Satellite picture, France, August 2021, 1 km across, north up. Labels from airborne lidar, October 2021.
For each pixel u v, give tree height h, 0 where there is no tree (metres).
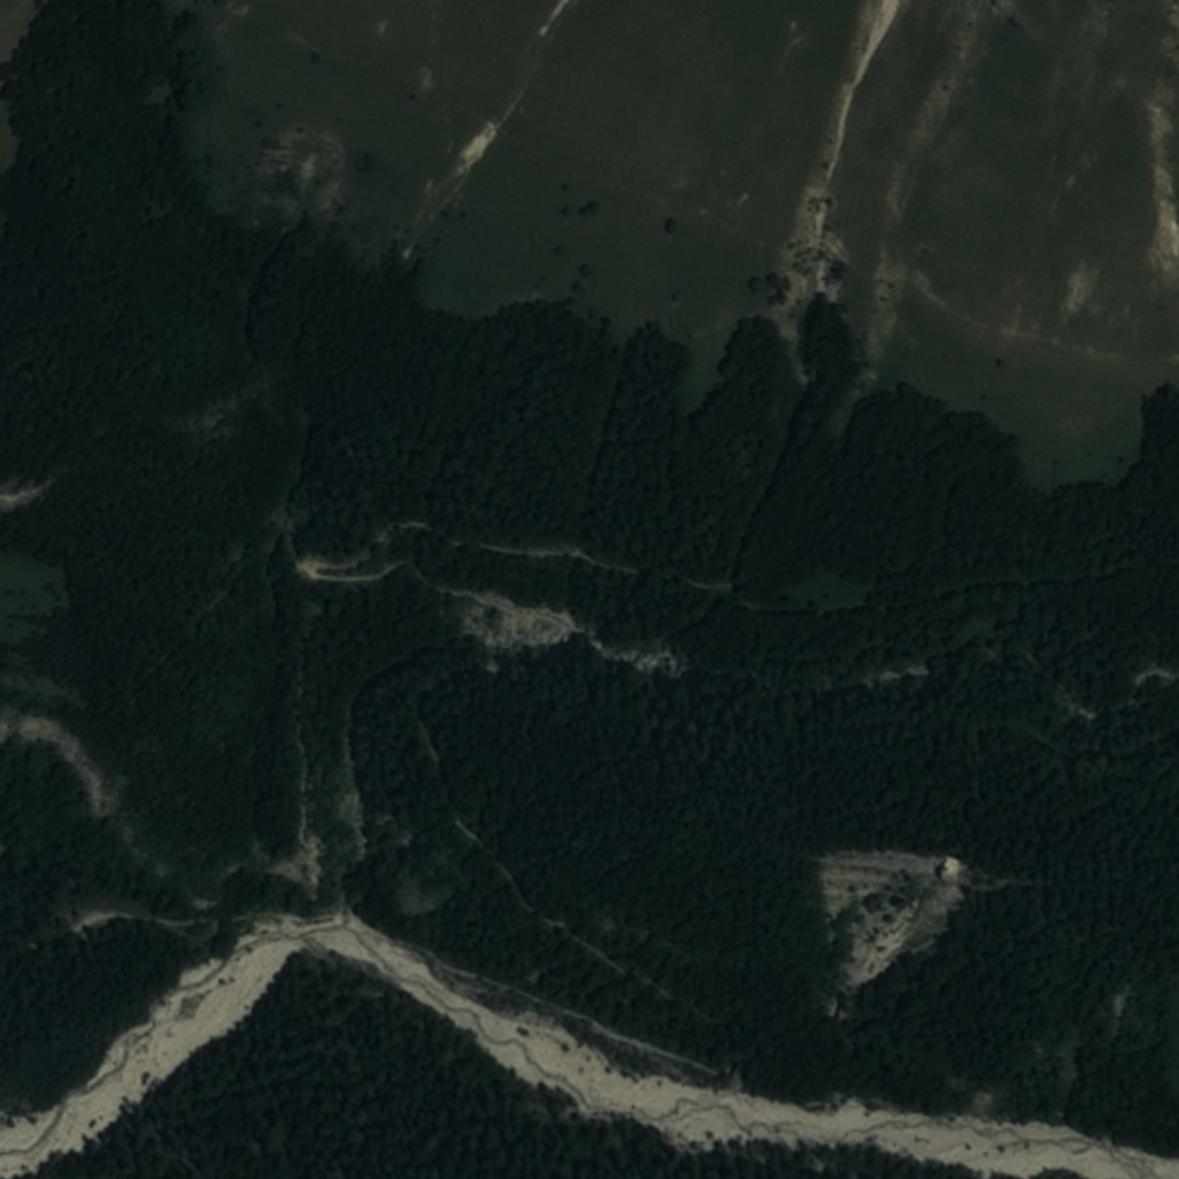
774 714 8
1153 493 17
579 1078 0
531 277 0
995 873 9
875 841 12
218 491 13
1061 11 0
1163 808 17
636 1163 11
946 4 0
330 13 0
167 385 17
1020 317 0
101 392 22
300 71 0
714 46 0
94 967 21
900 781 20
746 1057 24
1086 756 14
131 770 12
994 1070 11
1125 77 0
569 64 0
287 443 15
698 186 0
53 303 20
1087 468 0
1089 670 22
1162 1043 15
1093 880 12
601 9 0
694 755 18
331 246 6
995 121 0
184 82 15
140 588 20
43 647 11
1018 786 15
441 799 18
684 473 23
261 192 0
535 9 0
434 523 14
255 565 12
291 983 13
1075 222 0
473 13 0
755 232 0
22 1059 13
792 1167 21
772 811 10
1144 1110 22
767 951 19
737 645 15
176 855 11
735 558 8
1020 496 23
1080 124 0
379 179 0
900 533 22
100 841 23
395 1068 10
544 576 16
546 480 18
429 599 18
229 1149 13
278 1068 22
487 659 12
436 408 20
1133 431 0
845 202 0
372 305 11
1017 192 0
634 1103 0
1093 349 0
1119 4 0
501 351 14
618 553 24
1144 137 0
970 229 0
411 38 0
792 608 13
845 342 11
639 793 16
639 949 16
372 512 7
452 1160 17
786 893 18
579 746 17
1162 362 0
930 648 30
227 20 0
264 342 24
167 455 13
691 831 16
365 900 7
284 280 15
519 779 15
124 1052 0
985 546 23
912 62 0
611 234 0
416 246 6
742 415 16
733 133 0
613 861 24
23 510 11
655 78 0
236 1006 0
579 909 10
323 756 17
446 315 8
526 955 20
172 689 20
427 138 0
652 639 19
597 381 22
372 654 21
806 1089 20
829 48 0
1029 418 0
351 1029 8
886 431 20
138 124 21
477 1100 17
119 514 15
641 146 0
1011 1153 0
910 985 21
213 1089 19
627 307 0
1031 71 0
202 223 9
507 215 0
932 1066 10
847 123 0
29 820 18
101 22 19
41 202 24
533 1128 17
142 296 20
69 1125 0
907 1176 10
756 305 0
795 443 17
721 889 30
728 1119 0
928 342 0
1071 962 18
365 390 19
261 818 18
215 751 9
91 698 9
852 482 16
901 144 0
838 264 10
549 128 0
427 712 11
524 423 12
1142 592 19
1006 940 25
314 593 15
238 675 16
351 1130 18
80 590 19
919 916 0
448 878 9
